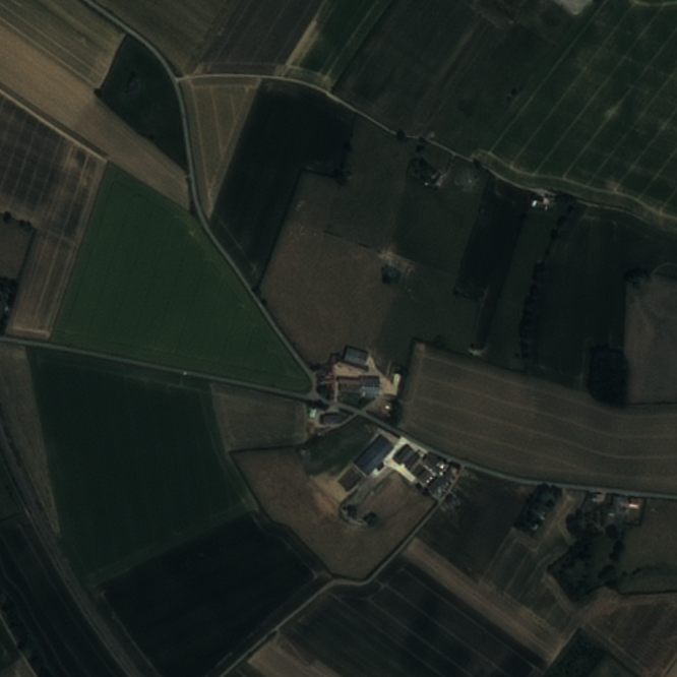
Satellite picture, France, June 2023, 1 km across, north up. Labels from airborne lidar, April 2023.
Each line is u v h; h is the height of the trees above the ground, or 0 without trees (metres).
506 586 0
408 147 0
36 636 0
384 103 0
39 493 0
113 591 0
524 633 0
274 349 0
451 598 0
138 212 0
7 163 0
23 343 0
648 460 0
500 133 0
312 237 0
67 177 0
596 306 0
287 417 0
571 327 0
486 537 0
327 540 0
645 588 0
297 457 0
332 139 0
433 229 0
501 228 0
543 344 0
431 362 0
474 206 0
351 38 0
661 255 0
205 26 0
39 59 0
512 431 0
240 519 0
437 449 0
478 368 0
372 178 0
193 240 0
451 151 0
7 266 0
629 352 0
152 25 0
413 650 0
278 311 0
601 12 0
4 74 0
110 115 0
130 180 0
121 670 0
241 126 0
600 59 0
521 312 0
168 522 0
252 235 0
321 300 0
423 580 0
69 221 0
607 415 0
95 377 0
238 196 0
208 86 0
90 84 0
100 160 0
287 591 0
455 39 0
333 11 0
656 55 0
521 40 0
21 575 0
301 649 0
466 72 0
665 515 0
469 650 0
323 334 0
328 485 0
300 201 0
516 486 0
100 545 0
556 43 0
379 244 0
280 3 0
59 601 0
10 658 0
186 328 0
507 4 0
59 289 0
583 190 0
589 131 0
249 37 0
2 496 0
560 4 0
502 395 0
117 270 0
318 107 0
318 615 0
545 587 0
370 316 0
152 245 0
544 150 0
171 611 0
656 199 0
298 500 0
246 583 0
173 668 0
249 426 0
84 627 0
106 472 0
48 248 0
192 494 0
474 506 0
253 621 0
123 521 0
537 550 0
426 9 0
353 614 0
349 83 0
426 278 0
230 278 0
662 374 0
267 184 0
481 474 0
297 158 0
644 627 0
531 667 0
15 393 0
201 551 0
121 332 0
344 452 0
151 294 0
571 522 12
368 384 0
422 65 0
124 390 0
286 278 0
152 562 0
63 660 0
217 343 0
